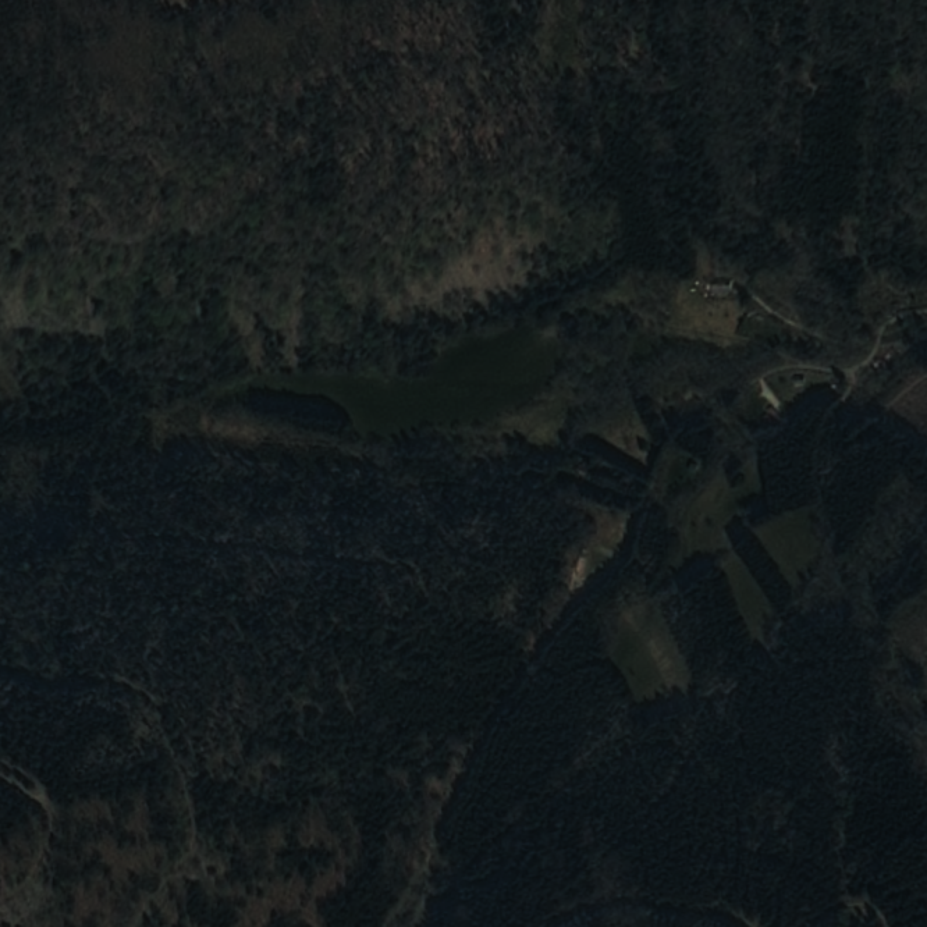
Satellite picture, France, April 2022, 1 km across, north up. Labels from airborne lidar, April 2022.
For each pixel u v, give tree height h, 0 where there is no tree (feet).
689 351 69
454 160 86
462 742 104
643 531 80
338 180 92
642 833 83
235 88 60
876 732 67
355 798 93
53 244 63
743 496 0
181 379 106
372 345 122
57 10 57
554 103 104
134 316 88
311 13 53
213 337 102
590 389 67
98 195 54
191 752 107
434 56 119
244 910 49
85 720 96
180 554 119
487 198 105
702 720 74
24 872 48
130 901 55
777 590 78
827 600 31
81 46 55
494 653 88
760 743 62
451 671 69
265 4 66
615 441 0
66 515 48
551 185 81
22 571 79
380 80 111
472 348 0
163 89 71
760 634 0
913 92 83
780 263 90
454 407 0
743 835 63
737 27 81
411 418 0
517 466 72
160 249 53
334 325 95
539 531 94
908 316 21
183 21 50
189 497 106
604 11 103
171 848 55
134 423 96
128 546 100
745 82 77
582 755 108
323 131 84
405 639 75
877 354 0
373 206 72
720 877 70
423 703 77
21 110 74
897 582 96
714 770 83
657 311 35
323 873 46
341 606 96
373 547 107
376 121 85
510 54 118
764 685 70
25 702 85
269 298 58
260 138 100
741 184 96
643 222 66
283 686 75
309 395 0
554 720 95
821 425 84
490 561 76
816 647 73
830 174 82
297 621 29
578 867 60
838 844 62
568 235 91
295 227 103
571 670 104
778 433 76
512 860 67
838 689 65
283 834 59
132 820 43
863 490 86
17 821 33
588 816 81
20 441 72
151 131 80
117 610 88
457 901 72
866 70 64
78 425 82
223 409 26
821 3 77
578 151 102
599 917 69
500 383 0
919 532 71
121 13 65
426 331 123
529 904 61
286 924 56
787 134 81
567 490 80
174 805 62
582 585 0
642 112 97
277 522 94
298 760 102
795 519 0
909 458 97
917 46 73
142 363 94
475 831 88
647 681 0
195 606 89
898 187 98
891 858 92
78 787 63
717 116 87
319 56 60
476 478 92
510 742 77
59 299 79
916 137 75
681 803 76
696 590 76
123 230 61
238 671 88
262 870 87
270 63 61
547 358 0
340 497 111
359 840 58
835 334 63
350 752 91
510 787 85
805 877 64
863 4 71
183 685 87
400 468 76
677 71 118
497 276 0
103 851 47
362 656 69
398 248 81
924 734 73
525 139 85
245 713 79
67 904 54
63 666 80
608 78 100
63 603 102
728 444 79
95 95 59
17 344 95
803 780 50
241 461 90
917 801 55
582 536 74
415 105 74
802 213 74
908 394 0
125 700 76
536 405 31
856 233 42
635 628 0
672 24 115
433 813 87
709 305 0
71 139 88
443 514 99
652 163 92
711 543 0
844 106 68
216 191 84
